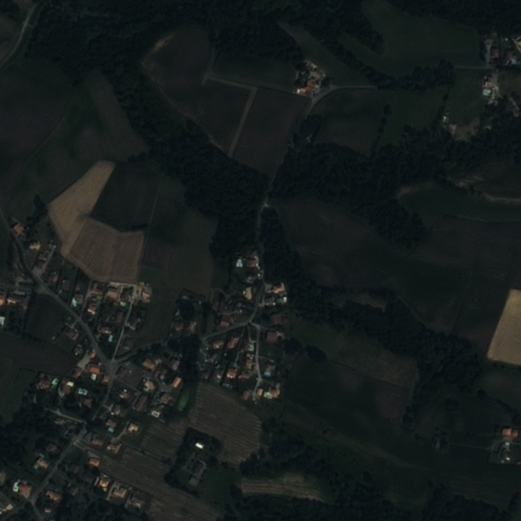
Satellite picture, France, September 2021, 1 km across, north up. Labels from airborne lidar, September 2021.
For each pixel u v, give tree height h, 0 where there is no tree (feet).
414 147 51
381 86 23
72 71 68
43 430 43
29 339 33
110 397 22
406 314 68
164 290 0
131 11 56
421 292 0
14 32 0
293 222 0
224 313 0
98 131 0
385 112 43
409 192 0
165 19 67
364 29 37
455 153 82
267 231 70
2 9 55
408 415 48
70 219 0
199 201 76
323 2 73
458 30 0
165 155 43
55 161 0
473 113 0
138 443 0
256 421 0
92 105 0
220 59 0
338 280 0
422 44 0
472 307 0
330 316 34
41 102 0
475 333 0
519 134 60
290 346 48
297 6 86
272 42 56
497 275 0
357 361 0
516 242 0
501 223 0
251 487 0
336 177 84
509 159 0
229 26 55
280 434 87
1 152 0
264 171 0
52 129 0
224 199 81
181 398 0
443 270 0
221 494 0
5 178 0
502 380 0
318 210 0
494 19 70
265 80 0
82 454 0
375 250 0
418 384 22
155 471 0
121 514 43
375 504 62
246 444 0
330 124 0
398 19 0
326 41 45
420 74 50
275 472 0
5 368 0
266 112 0
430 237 0
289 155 34
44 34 57
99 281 0
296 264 69
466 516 89
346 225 0
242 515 67
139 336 0
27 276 26
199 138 62
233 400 0
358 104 0
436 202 0
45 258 0
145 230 25
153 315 0
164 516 0
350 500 31
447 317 0
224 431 0
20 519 30
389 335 78
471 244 0
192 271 0
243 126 0
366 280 0
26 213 0
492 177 0
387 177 51
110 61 66
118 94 68
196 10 68
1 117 0
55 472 0
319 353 39
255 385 0
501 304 0
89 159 0
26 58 27
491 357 0
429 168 82
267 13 69
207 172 74
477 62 0
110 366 0
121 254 0
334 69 0
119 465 0
